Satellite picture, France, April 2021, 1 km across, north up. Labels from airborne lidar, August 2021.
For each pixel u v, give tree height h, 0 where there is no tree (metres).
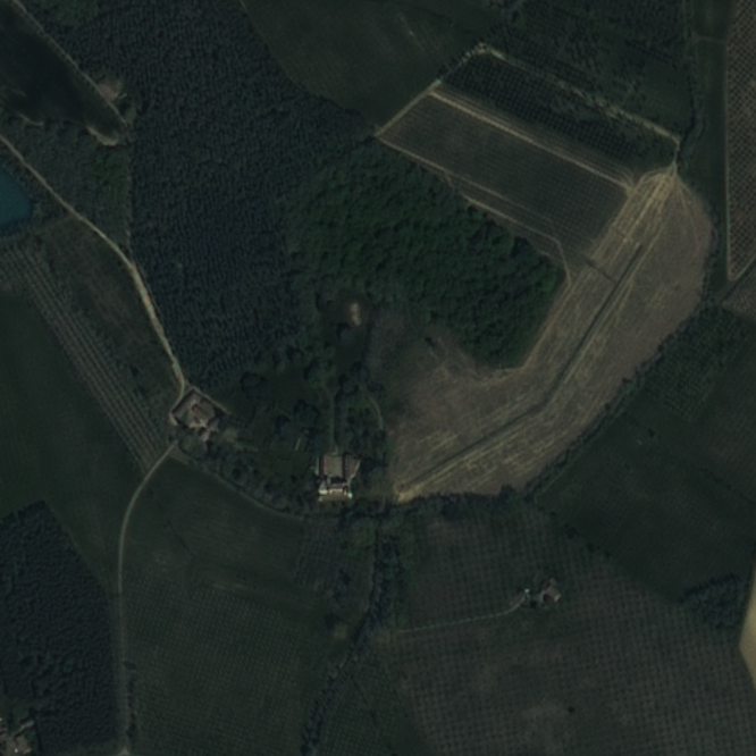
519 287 32
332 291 28
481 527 13
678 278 0
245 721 13
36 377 0
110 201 19
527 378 0
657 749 9
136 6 20
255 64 19
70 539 8
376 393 16
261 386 14
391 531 26
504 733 9
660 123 11
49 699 21
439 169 15
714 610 12
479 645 10
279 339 22
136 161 16
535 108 17
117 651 15
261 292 6
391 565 18
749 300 6
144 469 21
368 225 22
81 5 24
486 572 12
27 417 0
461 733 9
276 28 10
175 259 17
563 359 0
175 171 15
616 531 16
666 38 31
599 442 10
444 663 9
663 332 0
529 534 13
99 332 7
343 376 0
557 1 26
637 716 9
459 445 0
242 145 20
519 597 10
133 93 0
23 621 19
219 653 20
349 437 20
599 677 9
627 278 0
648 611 10
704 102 6
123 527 0
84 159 20
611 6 30
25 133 17
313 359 28
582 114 18
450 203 20
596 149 18
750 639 0
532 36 14
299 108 18
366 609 10
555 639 8
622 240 0
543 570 12
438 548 7
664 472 12
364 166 21
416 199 23
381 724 16
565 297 0
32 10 18
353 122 18
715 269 12
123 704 13
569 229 21
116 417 27
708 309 26
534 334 24
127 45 20
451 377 0
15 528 19
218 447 12
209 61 24
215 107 22
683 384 18
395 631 17
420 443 0
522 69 16
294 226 24
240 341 17
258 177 19
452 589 10
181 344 12
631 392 12
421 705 9
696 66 8
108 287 7
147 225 15
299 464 0
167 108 19
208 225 20
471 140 14
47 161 16
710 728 8
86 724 20
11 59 0
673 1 32
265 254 21
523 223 17
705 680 7
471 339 24
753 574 8
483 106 14
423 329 18
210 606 23
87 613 21
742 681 9
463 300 29
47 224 14
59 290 31
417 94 11
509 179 12
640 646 11
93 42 19
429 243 22
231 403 0
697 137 17
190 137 15
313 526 18
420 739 9
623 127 17
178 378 8
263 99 22
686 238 0
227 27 19
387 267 21
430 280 24
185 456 11
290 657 19
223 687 19
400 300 28
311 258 24
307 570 9
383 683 14
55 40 17
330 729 18
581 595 9
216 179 16
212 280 21
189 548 7
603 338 0
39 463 9
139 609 16
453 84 20
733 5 0
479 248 23
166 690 15
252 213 20
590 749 7
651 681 8
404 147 15
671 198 0
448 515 19
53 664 8
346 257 20
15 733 7
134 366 12
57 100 0
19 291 28
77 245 8
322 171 19
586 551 11
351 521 15
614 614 8
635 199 0
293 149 13
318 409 7
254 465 10
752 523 13
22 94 0
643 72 14
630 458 14
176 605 18
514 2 13
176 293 13
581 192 19
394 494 30
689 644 8
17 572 21
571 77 16
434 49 8
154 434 32
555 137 21
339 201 26
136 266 6
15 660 14
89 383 27
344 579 19
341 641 29
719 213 8
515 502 23
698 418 18
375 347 20
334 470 0
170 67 21
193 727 13
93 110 0
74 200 22
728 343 19
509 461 0
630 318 0
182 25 19
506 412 0
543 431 0
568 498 15
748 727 12
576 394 0
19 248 24
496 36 15
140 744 6
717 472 9
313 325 25
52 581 22
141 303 8
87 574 22
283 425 14
